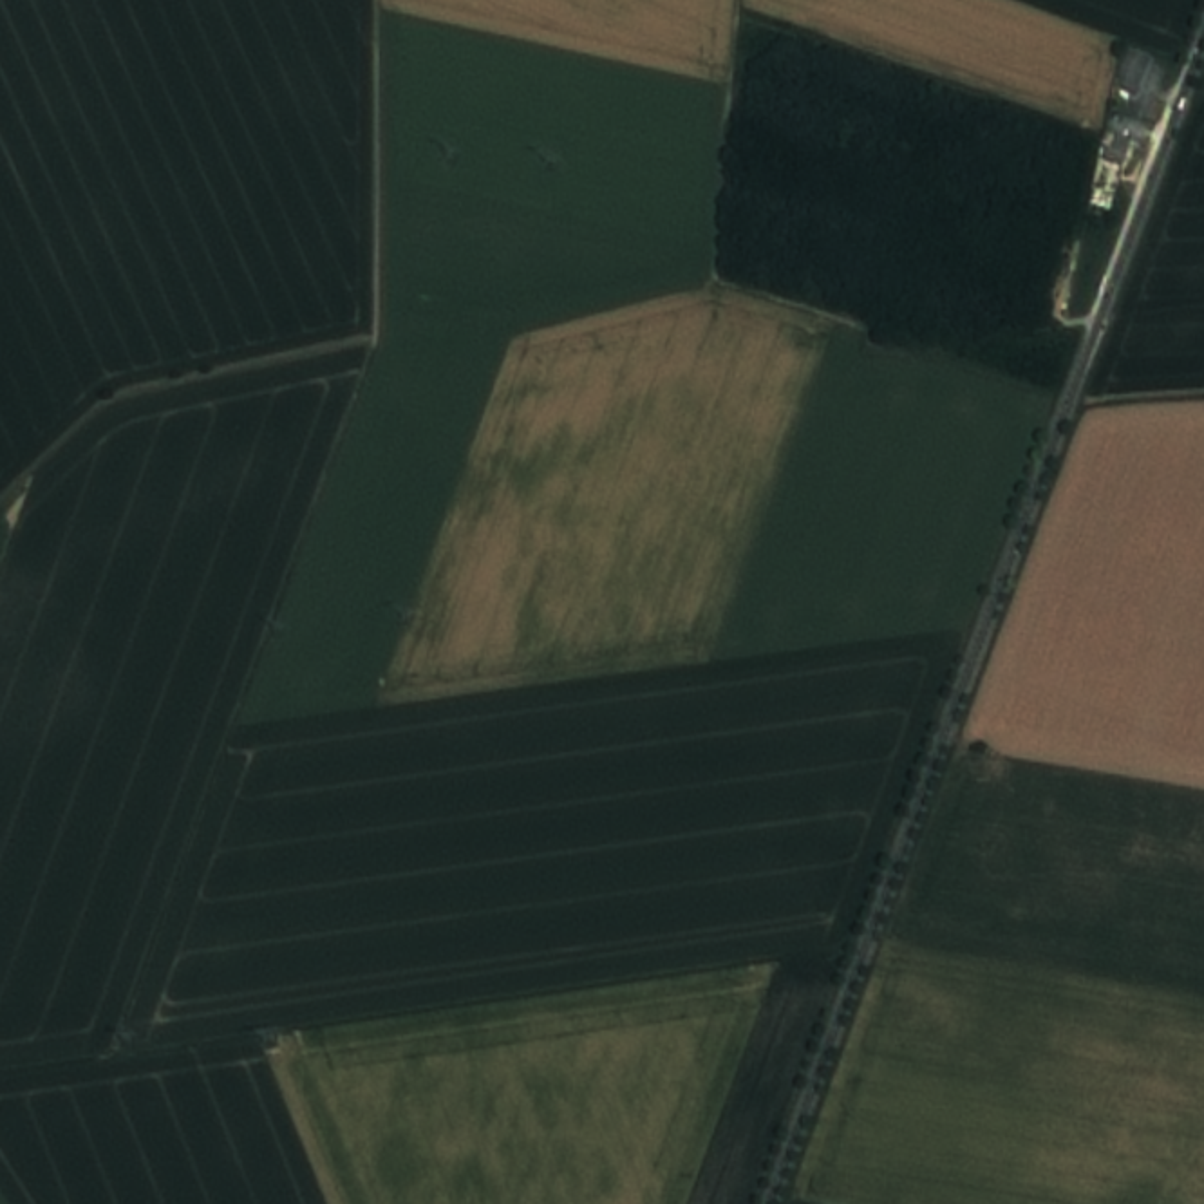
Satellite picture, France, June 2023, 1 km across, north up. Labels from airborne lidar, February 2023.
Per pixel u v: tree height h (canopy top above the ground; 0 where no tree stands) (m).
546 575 0
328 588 0
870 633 0
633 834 0
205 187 0
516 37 0
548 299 0
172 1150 0
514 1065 0
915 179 15
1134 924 0
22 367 0
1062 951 0
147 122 0
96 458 0
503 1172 0
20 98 0
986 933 0
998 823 0
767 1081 0
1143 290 0
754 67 15
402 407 0
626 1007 0
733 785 0
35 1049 0
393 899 0
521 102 0
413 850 0
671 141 0
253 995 0
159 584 0
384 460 0
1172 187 0
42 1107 0
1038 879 0
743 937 0
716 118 0
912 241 14
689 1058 0
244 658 0
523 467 0
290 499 0
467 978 0
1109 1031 0
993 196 14
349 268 0
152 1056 0
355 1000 0
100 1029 0
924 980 0
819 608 0
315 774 0
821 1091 11
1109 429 0
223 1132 0
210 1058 0
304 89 0
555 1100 0
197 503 0
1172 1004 0
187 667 0
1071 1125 0
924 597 0
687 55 0
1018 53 0
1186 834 0
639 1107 0
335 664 0
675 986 0
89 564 0
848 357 0
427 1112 0
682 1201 0
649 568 0
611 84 0
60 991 0
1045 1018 0
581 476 0
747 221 17
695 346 0
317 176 0
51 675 0
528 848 0
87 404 0
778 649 0
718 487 0
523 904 0
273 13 0
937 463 0
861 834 0
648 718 0
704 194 0
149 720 0
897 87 22
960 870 0
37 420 0
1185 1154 0
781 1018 0
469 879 0
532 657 0
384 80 0
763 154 12
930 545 0
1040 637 0
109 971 0
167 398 0
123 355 0
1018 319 13
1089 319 0
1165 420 0
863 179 12
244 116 0
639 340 0
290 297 0
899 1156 0
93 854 0
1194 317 0
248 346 0
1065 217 12
